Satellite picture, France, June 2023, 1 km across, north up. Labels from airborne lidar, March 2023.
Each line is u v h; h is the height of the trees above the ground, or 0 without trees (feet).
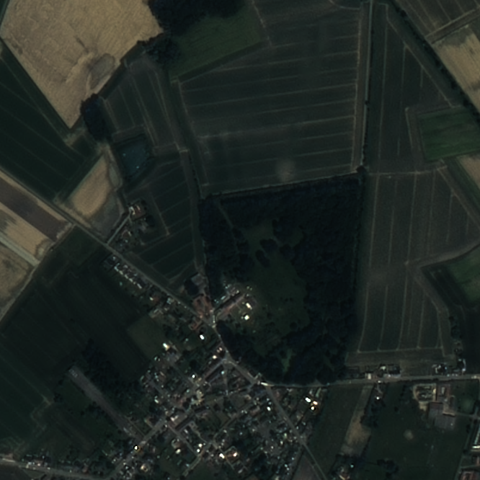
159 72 0
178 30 85
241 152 0
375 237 0
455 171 0
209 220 92
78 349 0
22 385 0
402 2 0
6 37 0
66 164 0
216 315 0
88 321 0
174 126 0
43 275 0
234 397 0
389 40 0
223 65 0
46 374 0
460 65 0
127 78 0
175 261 0
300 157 0
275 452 0
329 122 0
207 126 0
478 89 0
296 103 0
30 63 0
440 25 0
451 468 0
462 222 0
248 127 0
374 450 0
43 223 0
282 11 0
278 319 0
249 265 39
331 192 71
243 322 0
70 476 0
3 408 0
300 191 73
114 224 0
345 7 0
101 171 0
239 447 57
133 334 0
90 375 29
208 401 0
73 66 0
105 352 0
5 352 0
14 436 0
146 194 0
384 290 0
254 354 76
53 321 0
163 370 0
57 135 0
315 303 93
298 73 0
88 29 0
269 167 0
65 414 0
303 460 0
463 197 0
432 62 0
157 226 0
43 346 0
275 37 0
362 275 0
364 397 0
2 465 0
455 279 0
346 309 84
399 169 0
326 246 88
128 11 0
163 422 0
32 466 0
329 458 0
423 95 0
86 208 0
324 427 0
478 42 0
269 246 71
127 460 0
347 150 0
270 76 0
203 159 0
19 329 0
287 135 0
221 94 0
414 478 0
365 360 0
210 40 0
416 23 0
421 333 0
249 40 0
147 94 0
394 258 0
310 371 80
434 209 0
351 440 0
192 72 0
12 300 0
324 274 86
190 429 38
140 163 0
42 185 0
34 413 0
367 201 0
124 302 0
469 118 0
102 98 0
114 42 0
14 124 0
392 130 0
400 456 0
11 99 0
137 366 0
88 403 0
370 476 0
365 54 0
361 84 0
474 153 0
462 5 0
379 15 0
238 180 0
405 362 0
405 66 0
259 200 70
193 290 68
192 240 0
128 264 0
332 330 78
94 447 0
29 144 0
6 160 0
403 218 0
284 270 0
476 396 0
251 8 0
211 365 0
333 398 0
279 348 31
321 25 0
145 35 0
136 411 0
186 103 0
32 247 0
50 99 0
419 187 0
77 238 0
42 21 0
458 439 0
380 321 0
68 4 0
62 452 0
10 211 0
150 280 0
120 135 0
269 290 0
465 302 0
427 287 0
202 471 0
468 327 0
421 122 0
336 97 0
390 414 0
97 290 0
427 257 0
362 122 0
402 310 0
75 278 0
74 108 0
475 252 0
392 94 0
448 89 0
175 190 0
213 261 68
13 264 0
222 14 84
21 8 0
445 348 0
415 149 0
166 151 0
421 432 0
